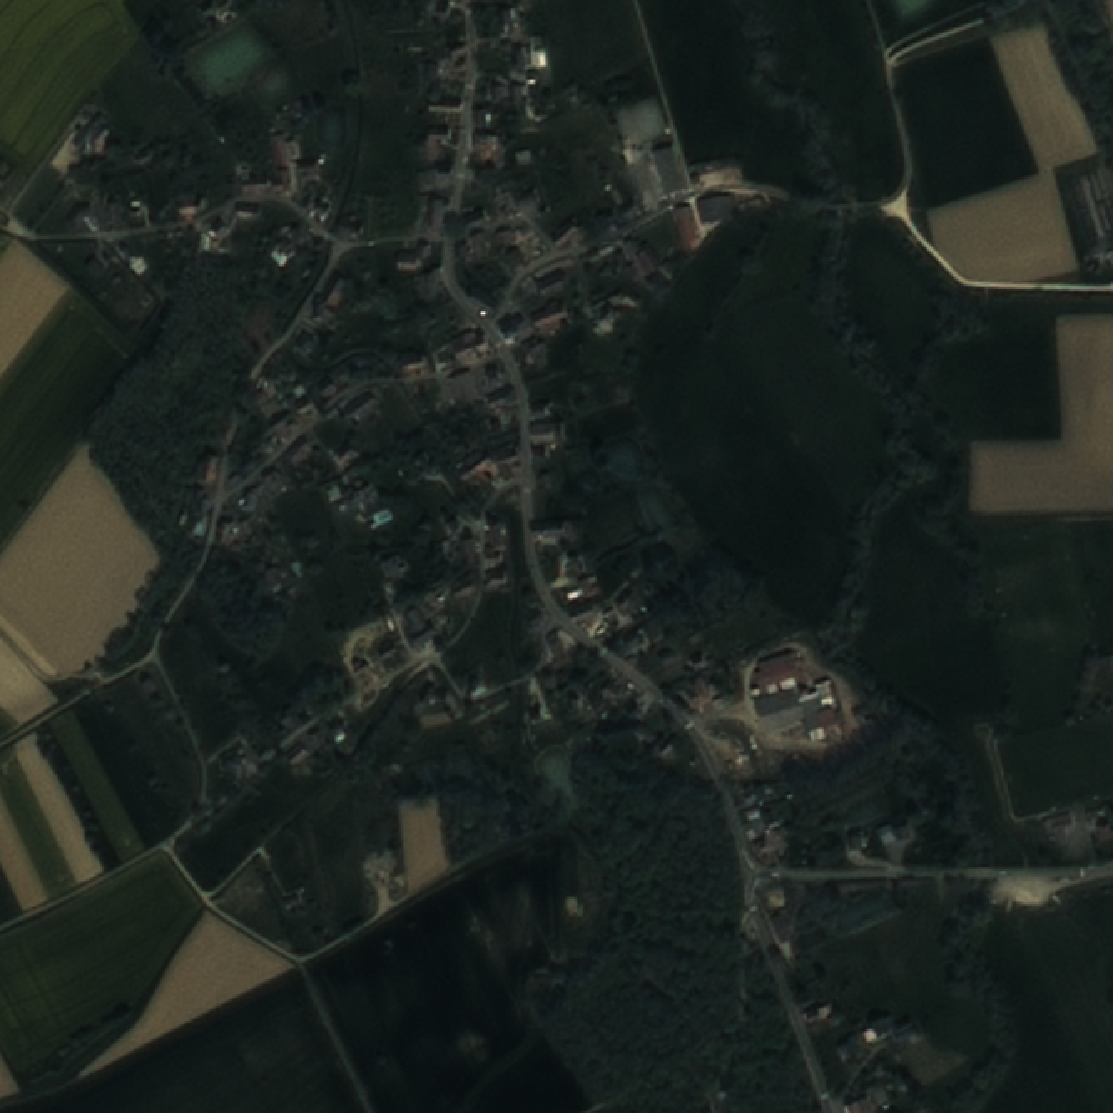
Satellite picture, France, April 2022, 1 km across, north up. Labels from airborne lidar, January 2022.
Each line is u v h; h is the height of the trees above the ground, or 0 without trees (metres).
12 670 0
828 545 0
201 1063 0
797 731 0
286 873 0
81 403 0
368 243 0
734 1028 15
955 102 0
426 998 0
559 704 0
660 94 0
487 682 0
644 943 25
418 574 0
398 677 0
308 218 0
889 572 0
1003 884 0
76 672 0
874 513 6
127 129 0
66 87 0
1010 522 0
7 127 0
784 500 0
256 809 0
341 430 0
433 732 0
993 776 0
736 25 0
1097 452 0
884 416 0
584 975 22
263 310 24
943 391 0
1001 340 0
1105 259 0
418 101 0
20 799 0
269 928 0
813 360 0
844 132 0
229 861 0
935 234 0
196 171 13
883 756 35
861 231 0
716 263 0
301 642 0
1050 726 0
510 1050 0
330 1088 0
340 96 0
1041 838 0
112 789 0
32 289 0
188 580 11
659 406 0
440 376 0
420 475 7
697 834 26
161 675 0
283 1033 0
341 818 0
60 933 0
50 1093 0
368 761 14
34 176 0
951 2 0
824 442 0
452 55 0
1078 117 0
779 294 0
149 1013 0
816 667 0
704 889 21
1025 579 0
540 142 0
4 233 0
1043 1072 0
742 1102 23
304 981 0
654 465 11
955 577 0
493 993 0
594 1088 22
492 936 0
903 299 0
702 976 28
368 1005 0
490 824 25
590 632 0
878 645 0
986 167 0
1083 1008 0
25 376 0
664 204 0
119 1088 0
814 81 0
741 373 0
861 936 0
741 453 0
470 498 6
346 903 0
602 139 0
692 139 0
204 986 0
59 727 0
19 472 0
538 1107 0
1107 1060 0
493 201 0
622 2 0
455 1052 0
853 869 0
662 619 26
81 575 0
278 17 0
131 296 0
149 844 0
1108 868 0
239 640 13
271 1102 0
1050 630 0
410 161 0
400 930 0
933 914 0
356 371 13
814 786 36
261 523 0
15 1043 0
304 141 0
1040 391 0
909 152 0
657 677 0
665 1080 22
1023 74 0
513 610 0
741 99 0
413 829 0
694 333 0
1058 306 0
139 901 0
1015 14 15
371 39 0
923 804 10
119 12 0
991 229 0
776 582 0
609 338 0
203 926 0
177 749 0
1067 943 0
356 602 0
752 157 0
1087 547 0
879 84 0
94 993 0
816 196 24
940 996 0
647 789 26
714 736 0
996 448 0
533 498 0
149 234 0
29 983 0
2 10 0
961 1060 0
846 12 0
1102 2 18
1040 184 0
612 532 0
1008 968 0
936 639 0
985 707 0
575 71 0
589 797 22
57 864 0
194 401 25
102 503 0
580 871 0
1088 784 0
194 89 16
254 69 0
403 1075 0
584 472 0
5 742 0
